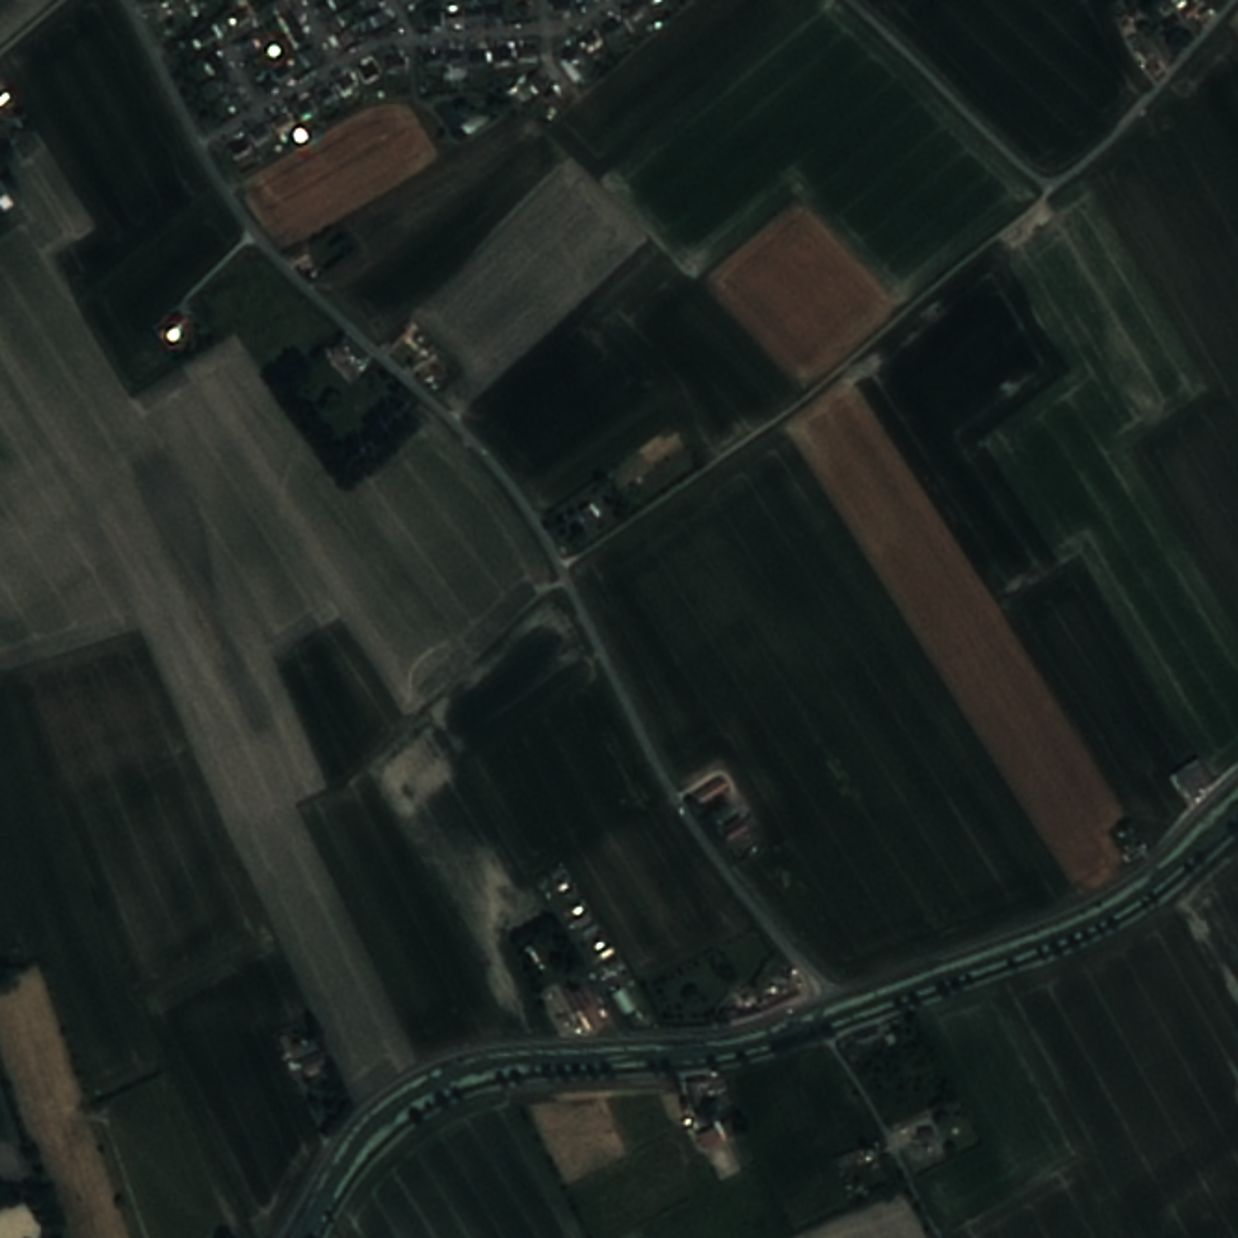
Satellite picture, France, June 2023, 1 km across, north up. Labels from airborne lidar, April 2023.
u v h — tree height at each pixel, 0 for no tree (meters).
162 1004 0
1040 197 0
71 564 0
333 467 22
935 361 0
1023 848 0
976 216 0
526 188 0
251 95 0
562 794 0
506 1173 0
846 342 0
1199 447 0
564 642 0
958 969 0
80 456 0
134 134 0
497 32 0
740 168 0
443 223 0
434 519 0
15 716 0
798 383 0
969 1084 0
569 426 0
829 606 0
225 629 0
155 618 0
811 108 0
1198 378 0
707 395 0
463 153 0
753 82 0
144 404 0
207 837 0
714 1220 0
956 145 0
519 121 0
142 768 0
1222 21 0
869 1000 0
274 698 0
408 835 0
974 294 0
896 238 0
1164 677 0
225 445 0
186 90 9
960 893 0
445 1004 0
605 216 0
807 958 0
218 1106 0
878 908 0
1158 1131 0
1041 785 0
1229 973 0
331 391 9
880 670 0
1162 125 0
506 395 0
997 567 0
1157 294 0
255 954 0
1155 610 0
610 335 0
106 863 0
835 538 0
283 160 0
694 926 0
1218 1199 0
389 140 0
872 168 0
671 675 0
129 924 0
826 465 0
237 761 0
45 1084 0
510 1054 0
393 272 0
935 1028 0
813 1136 0
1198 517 0
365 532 0
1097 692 0
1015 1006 0
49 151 0
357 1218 0
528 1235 0
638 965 0
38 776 0
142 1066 0
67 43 0
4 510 0
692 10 0
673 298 0
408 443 0
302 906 0
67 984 0
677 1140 0
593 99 0
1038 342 0
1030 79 0
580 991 0
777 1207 0
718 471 0
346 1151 0
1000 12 0
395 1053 0
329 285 0
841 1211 0
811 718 0
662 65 0
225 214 0
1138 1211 0
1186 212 0
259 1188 0
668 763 0
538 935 13
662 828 0
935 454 0
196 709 0
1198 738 0
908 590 0
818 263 0
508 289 0
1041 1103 0
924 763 0
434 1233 0
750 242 0
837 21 0
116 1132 0
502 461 0
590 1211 0
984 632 0
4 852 0
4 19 0
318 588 0
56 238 0
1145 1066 0
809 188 0
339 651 0
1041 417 0
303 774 0
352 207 0
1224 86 0
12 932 0
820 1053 0
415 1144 0
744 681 0
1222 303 0
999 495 0
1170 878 0
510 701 0
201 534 0
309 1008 0
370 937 0
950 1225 0
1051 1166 0
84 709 0
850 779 0
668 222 0
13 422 0
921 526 0
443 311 0
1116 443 0
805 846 0
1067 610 0
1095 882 0
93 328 0
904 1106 0
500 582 0
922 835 0
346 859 0
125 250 0
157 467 0
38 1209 17
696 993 12
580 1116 0
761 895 0
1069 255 0
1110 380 0
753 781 0
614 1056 0
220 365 0
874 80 0
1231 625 0
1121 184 0
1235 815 0
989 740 0
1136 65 0
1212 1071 0
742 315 0
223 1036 0
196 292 0
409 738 0
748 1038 0
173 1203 0
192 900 0
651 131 0
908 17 0
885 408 0
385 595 0
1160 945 0
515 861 0
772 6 0
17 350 0
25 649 0
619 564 0
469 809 0
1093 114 0
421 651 0
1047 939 0
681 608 0
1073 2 0
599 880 0
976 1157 0
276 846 0
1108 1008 0
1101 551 0
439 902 0
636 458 0
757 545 0
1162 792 0
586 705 0
